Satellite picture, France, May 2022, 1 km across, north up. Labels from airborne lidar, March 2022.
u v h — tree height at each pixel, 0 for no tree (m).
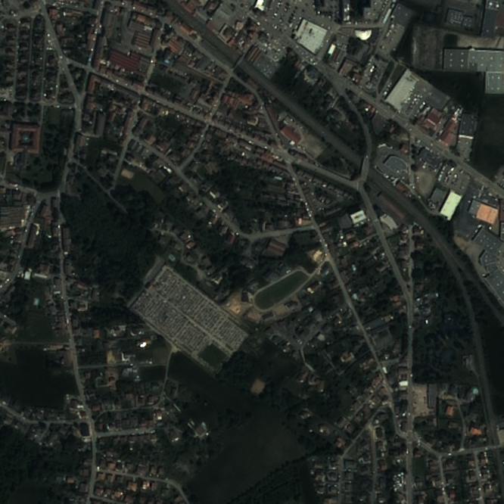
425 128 0
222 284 7
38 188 11
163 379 0
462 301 12
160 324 0
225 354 0
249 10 0
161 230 0
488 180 0
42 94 0
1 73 15
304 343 0
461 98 0
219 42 0
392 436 11
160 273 0
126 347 0
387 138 7
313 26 0
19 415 0
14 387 0
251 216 0
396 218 0
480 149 0
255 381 0
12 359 0
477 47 0
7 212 0
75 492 11
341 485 0
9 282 0
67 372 0
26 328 0
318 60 0
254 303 0
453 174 0
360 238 0
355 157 0
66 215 16
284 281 0
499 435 0
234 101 0
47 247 13
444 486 0
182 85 0
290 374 0
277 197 8
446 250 0
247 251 0
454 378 0
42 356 0
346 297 0
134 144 0
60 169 8
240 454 0
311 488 0
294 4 0
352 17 13
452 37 0
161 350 0
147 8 0
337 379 7
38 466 21
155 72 0
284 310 0
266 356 0
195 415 0
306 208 7
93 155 0
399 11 0
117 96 12
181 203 8
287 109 6
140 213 23
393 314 7
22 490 0
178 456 7
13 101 0
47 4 0
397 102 0
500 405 0
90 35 0
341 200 0
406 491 0
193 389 0
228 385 0
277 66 0
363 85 0
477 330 0
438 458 0
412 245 0
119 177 0
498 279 0
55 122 0
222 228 0
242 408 0
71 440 15
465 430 0
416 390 0
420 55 0
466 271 0
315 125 0
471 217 0
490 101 0
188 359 0
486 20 0
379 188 0
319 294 0
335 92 0
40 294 0
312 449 15
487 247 0
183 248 0
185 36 0
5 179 12
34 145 0
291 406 17
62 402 0
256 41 0
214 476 0
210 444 8
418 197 0
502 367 0
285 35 0
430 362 13
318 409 0
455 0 0
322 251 0
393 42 0
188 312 0
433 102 0
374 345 0
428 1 0
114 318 20
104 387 0
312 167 0
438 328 0
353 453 0
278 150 0
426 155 0
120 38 0
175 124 0
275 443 0
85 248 5
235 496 0
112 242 20
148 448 6
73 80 0
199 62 0
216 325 0
